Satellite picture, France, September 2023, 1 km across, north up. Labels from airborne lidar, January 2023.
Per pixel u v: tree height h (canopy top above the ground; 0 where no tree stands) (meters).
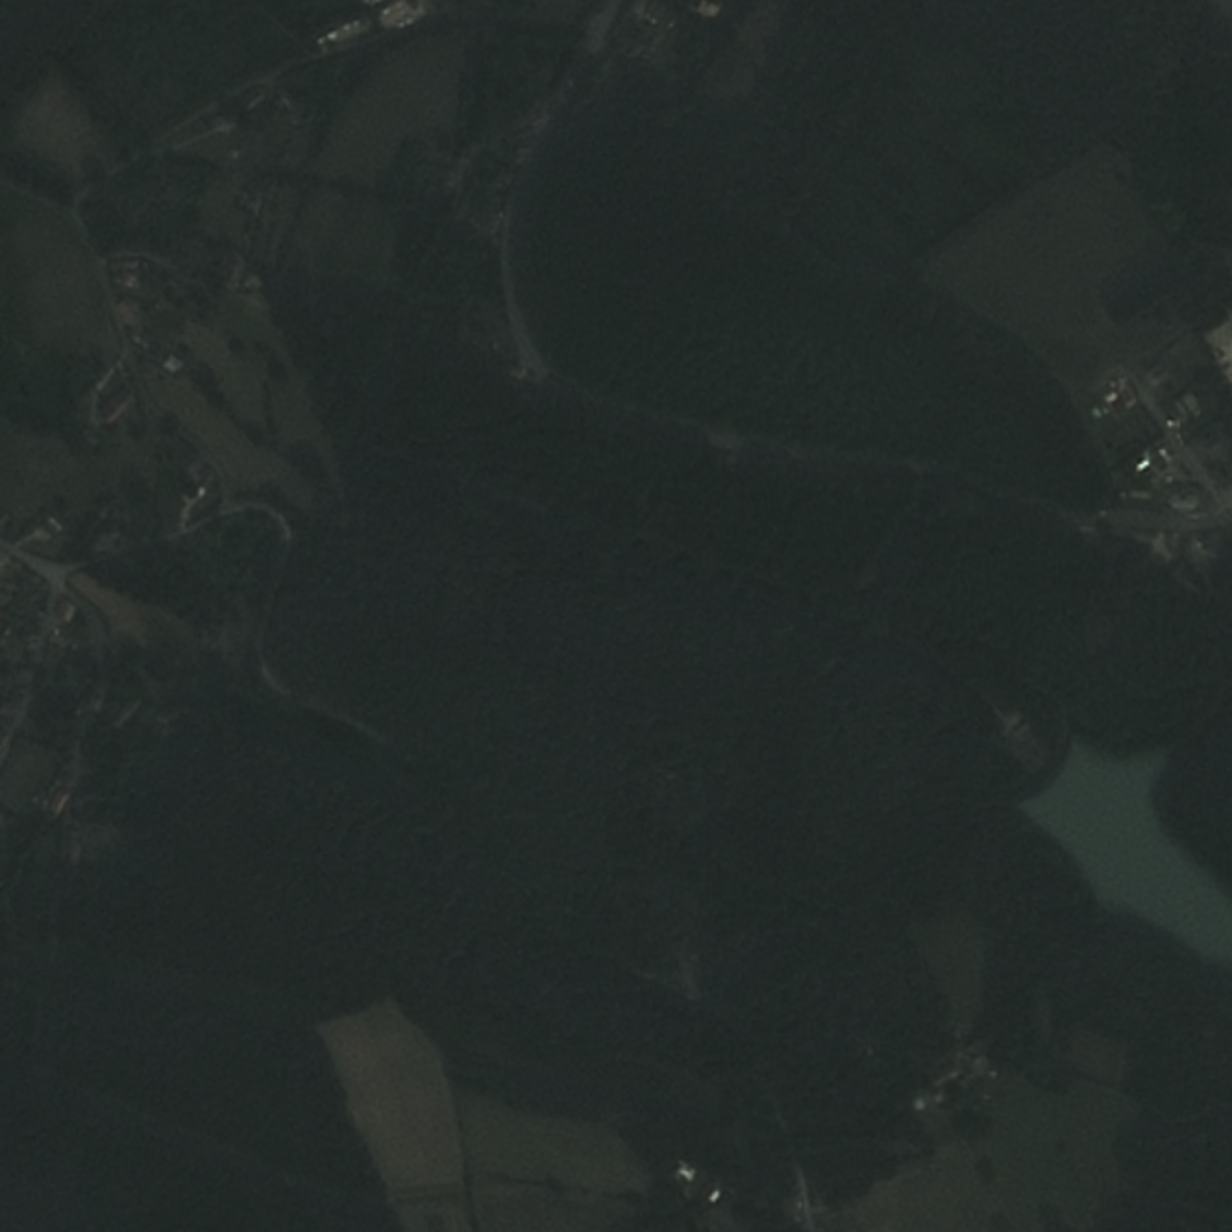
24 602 0
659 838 14
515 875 18
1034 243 0
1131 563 20
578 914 14
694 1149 10
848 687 21
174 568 12
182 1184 21
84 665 17
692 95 14
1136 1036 20
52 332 0
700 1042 23
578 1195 0
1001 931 20
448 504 28
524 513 38
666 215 27
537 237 22
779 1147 15
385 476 19
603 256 26
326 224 0
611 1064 0
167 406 0
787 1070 17
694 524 24
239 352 8
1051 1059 0
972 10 33
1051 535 25
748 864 19
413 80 0
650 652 22
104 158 0
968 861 29
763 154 21
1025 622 15
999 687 15
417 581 17
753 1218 13
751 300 18
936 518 21
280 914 24
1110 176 0
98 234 19
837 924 19
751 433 12
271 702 0
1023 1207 0
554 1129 0
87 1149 22
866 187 0
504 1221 0
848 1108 14
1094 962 22
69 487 0
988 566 21
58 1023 11
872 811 21
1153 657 19
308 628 20
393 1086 0
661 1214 18
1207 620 26
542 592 12
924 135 0
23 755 0
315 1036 14
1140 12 32
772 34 0
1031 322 0
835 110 17
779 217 27
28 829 9
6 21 0
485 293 12
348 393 24
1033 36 32
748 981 20
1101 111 34
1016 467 19
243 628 0
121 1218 27
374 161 0
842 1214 0
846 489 25
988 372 23
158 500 0
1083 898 14
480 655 23
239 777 31
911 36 0
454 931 28
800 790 26
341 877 32
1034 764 0
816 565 27
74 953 0
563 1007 21
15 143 0
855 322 14
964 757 28
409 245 9
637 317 21
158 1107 20
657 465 21
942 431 19
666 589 8
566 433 27
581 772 19
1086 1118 0
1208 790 18
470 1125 0
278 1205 20
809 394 12
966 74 0
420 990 30
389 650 19
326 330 18
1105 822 0
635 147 27
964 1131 10
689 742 9
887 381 15
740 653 24
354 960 24
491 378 14
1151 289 27
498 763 15
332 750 0
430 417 12
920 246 0
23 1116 28
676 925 9
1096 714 19
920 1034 17
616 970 18
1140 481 0
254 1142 18
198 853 26
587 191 28
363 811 29
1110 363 0
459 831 28
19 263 0
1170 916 0
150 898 24
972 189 0
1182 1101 25
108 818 6
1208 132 0
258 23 0
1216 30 28
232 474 0
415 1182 0
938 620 24
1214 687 29
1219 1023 32
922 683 30
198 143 0
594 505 38
